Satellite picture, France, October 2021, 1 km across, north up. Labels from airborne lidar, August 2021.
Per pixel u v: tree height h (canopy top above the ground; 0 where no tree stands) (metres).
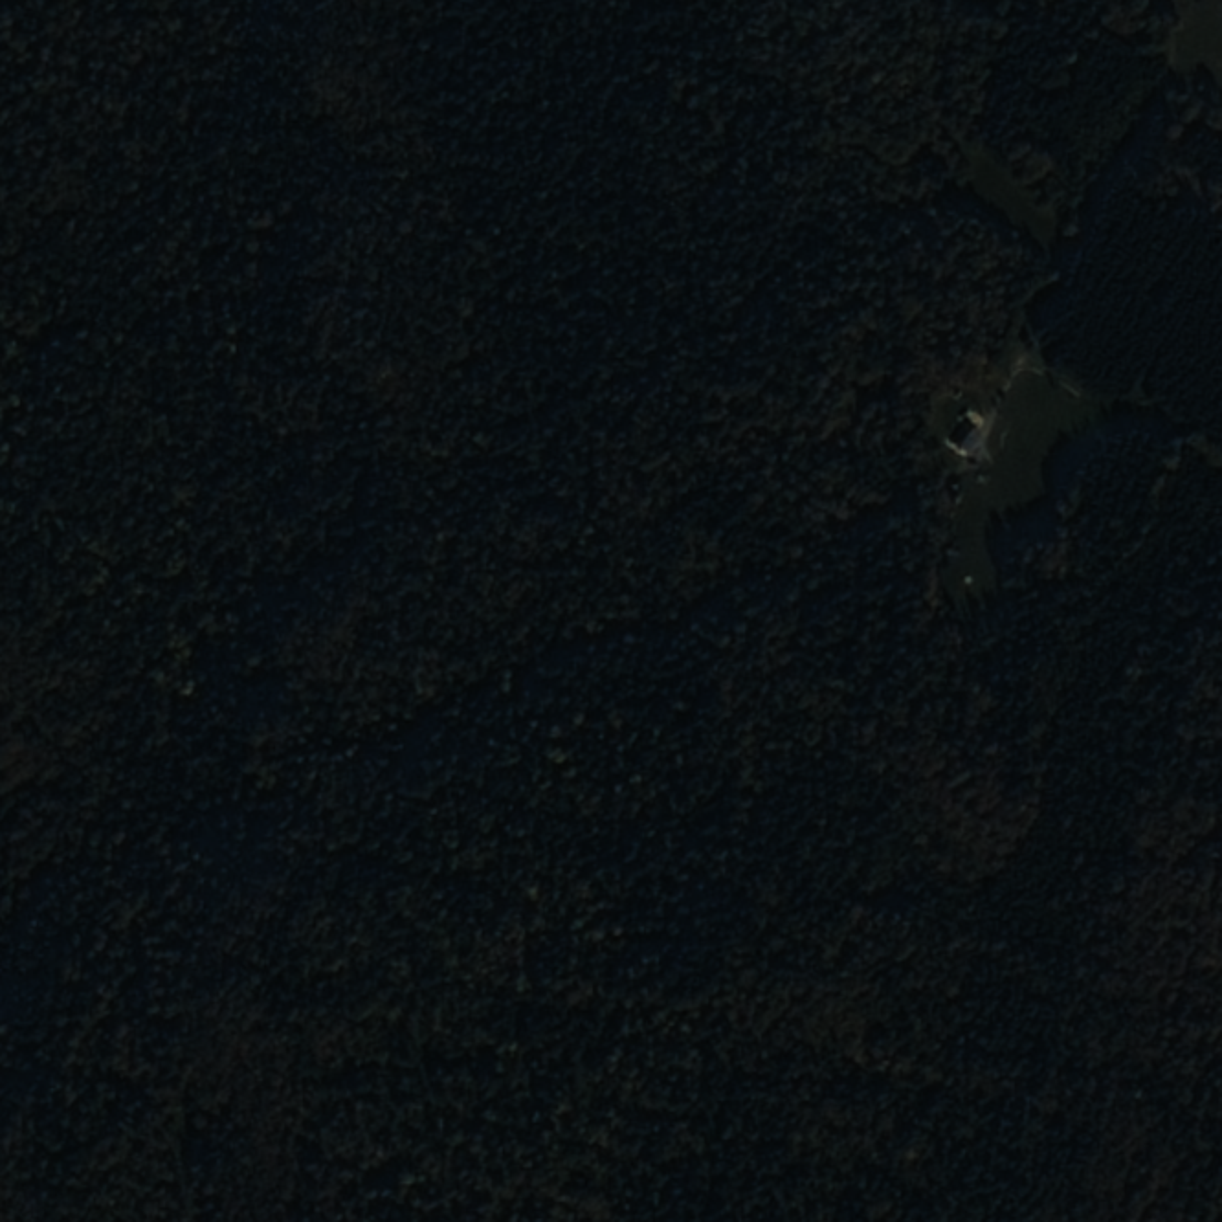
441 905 18
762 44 25
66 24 21
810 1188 16
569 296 30
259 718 19
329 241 19
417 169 17
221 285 16
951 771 25
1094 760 15
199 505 17
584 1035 17
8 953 19
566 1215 20
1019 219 0
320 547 15
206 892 18
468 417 23
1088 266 18
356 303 17
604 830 20
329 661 14
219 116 17
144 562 20
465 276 10
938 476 25
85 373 14
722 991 21
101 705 16
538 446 27
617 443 22
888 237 28
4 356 21
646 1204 9
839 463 32
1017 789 23
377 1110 17
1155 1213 22
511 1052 16
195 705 17
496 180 24
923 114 23
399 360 14
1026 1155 17
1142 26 16
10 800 12
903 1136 15
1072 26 22
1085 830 11
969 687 25
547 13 24
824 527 19
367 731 20
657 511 16
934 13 23
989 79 10
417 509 31
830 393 27
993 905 18
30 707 12
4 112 24
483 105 26
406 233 14
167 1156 26
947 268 25
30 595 18
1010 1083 18
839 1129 11
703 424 19
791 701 23
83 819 15
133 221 23
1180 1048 23
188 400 14
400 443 21
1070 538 14
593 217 26
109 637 17
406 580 28
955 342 15
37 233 22
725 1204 12
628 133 16
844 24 22
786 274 17
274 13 20
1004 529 0
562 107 27
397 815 19
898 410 28
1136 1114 21
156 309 14
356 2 17
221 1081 23
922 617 31
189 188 14
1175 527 18
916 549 20
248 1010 18
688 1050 17
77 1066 10
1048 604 24
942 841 25
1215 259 23
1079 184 7
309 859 20
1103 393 20
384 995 15
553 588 17
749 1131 13
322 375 16
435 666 12
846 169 27
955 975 21
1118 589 20
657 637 28
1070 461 0
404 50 22
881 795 21
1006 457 0
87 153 13
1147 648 13
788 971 17
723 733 16
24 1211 21
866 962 16
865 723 26
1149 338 22
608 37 29
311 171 19
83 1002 12
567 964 18
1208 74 0
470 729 22
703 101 22
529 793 24
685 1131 11
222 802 22
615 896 14
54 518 19
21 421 20
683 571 18
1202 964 23
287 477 11
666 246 19
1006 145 15
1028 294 18
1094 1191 19
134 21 21
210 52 19
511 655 18
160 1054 23
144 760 14
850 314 25
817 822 31
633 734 17
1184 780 10
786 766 25
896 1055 20
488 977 13
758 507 16
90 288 16
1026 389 0
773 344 31
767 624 27
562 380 25
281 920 7
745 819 22
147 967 23
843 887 18
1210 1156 17
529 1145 11
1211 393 20
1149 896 21
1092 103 14
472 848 19
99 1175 20
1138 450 21
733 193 26
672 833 15
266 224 20
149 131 17
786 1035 15
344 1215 18
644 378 24
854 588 18
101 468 17
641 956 22
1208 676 20
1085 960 14
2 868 15
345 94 14
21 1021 27
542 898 19
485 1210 21
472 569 16
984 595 0
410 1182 20
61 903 20
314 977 8
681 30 27
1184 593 26
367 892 16
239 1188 22
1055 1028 21
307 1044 15
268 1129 20
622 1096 13
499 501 21
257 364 12
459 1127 18
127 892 20
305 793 17
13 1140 25
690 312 29
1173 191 25
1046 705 19
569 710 27
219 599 11
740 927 31
